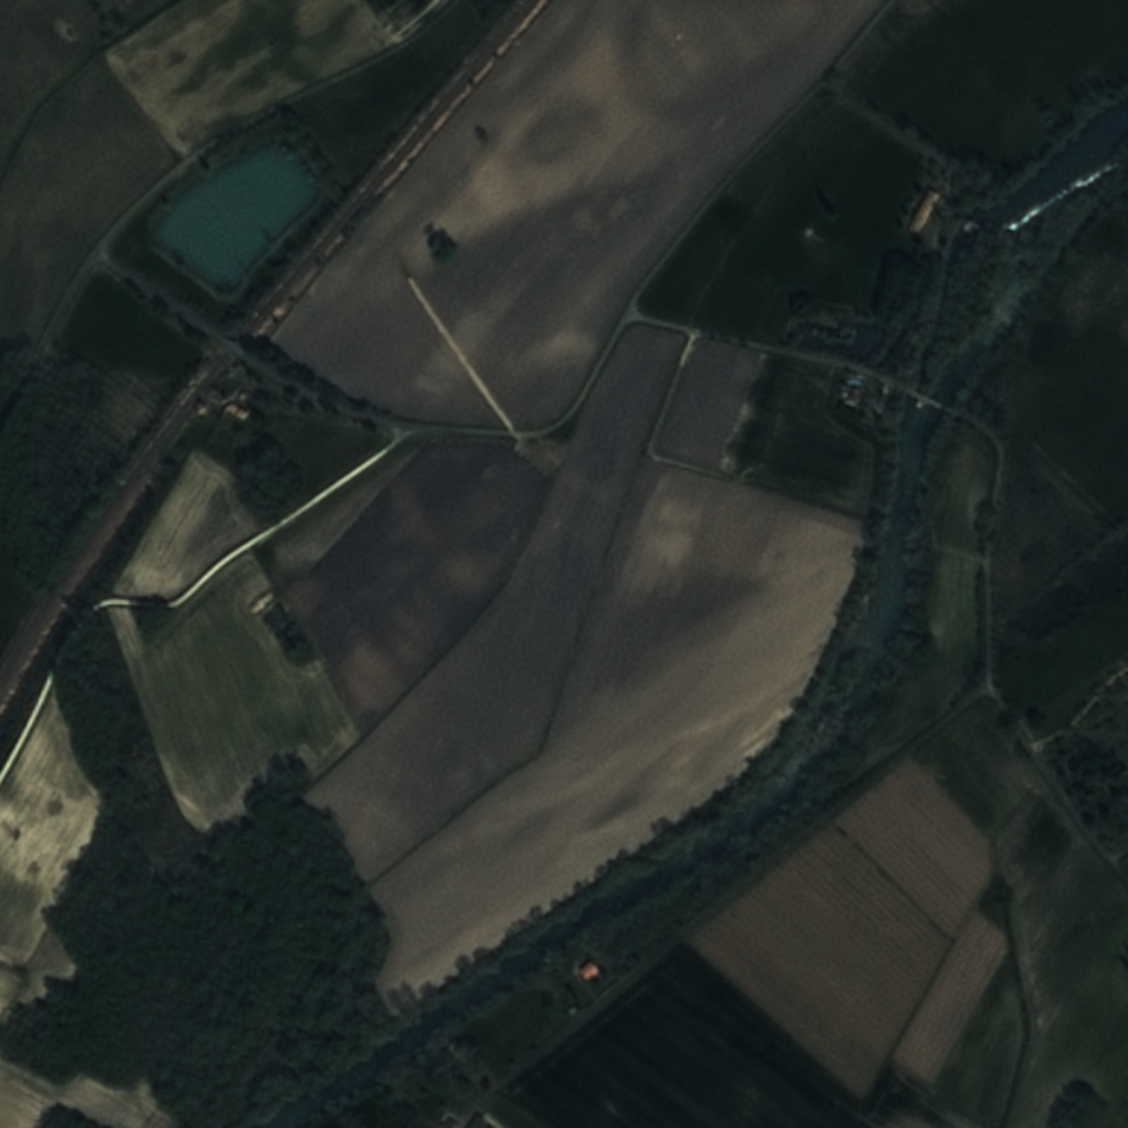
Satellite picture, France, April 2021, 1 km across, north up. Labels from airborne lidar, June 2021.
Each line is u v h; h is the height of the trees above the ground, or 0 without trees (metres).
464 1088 21
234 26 0
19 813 0
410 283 0
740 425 0
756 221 0
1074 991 0
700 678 0
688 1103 0
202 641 0
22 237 0
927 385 13
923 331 22
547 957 15
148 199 0
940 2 0
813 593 0
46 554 18
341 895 20
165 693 0
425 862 0
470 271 0
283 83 0
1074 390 0
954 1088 0
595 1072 0
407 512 0
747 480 0
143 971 17
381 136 0
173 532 0
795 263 0
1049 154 7
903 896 0
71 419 11
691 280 0
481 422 0
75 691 19
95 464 12
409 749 0
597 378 0
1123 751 6
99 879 20
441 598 0
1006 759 0
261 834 18
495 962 14
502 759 0
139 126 0
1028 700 0
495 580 0
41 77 0
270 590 0
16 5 0
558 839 0
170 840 0
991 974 0
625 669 0
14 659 0
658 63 0
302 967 22
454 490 0
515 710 0
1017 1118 0
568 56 0
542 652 0
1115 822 8
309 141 15
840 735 15
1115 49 0
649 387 0
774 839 16
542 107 0
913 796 0
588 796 0
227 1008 20
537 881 0
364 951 21
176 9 0
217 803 0
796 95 0
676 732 0
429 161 0
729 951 0
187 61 0
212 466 0
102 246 0
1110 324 0
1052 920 0
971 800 0
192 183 0
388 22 0
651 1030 0
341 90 0
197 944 15
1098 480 0
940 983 0
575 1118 0
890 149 0
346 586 0
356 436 0
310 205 0
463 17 0
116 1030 16
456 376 0
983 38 0
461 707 0
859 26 0
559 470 0
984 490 0
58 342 0
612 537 0
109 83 0
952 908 0
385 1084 8
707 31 0
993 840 0
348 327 0
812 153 0
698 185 0
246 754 0
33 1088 0
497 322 0
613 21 0
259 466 24
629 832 0
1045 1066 0
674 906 14
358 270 0
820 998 0
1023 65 0
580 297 0
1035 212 0
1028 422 0
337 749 0
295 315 0
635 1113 0
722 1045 0
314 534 0
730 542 0
